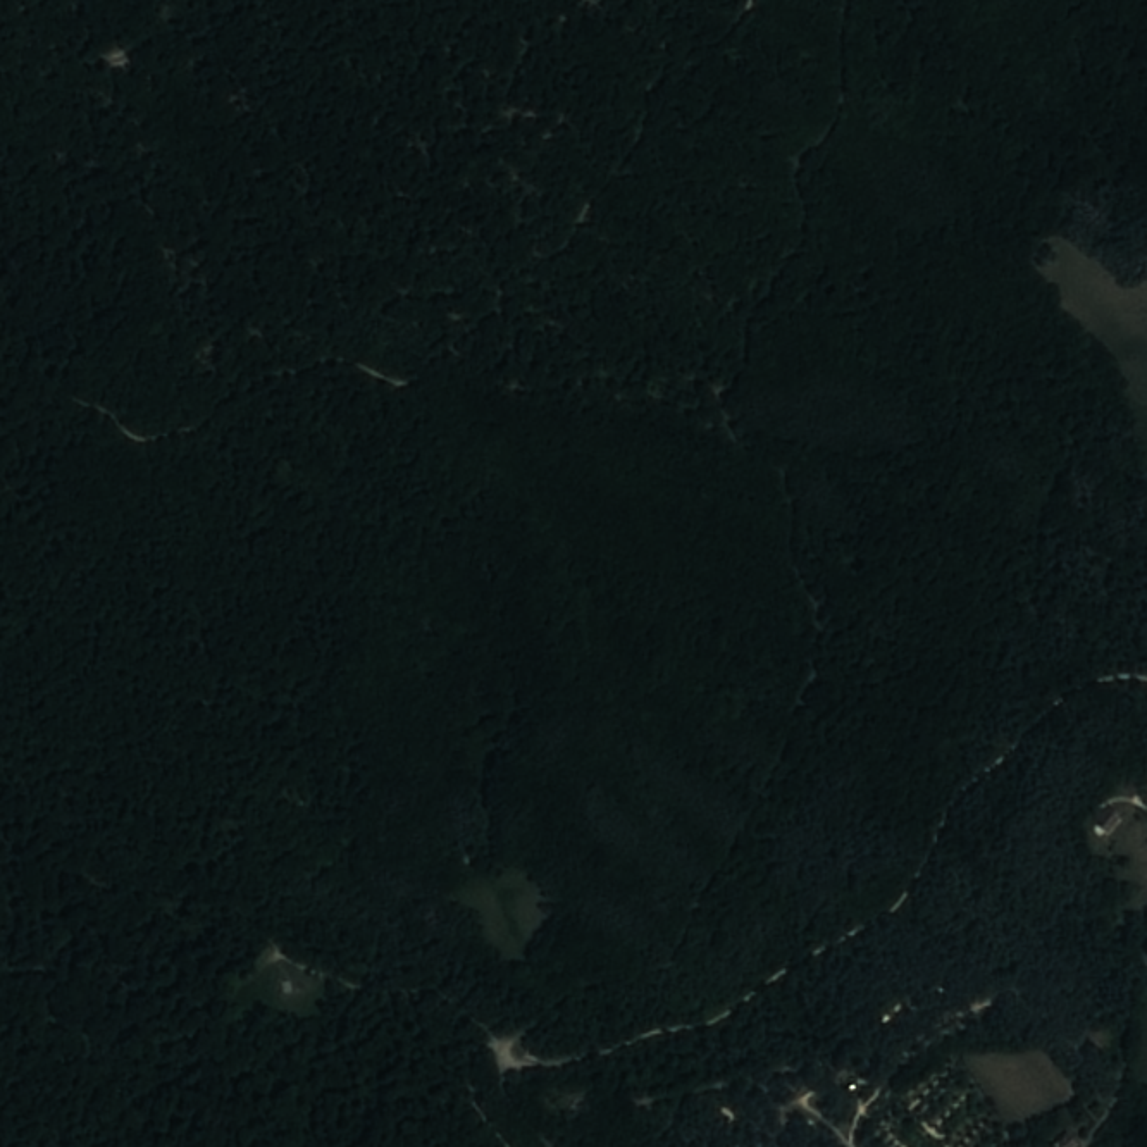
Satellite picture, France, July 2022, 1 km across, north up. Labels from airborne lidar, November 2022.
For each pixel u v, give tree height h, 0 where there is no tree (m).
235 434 20
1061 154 23
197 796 19
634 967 20
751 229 16
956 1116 11
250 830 18
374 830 16
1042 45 13
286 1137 21
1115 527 18
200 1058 23
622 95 17
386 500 17
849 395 12
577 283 17
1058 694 7
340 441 14
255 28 21
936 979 26
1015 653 24
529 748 17
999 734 18
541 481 9
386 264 18
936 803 19
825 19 14
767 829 20
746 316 18
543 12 17
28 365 20
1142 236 26
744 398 15
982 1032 22
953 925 19
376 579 15
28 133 21
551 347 21
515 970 22
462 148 20
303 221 20
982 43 16
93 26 20
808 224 14
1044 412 21
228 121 18
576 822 15
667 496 18
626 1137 16
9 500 12
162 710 16
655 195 16
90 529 13
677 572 12
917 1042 20
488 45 21
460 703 25
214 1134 27
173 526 13
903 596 23
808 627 12
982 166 20
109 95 8
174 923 25
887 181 11
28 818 25
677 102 22
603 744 14
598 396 24
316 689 14
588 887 14
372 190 23
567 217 15
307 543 21
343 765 21
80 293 13
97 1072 23
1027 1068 0
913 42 22
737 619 18
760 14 13
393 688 15
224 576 18
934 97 17
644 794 17
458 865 22
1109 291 0
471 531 22
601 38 16
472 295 19
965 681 21
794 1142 23
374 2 20
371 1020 27
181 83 19
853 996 26
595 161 15
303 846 14
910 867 18
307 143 23
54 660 20
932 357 20
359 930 19
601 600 16
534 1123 17
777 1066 11
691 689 16
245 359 20
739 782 19
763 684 18
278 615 19
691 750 18
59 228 24
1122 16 25
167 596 17
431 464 13
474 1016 18
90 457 17
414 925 24
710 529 14
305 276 18
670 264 17
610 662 12
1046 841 19
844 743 17
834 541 19
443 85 21
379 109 20
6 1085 24
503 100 17
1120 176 14
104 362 16
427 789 20
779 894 15
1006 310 8
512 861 13
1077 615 19
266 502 19
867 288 17
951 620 24
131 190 15
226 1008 24
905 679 20
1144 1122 13
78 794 20
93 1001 28
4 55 17
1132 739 15
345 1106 21
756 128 19
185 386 17
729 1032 19
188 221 18
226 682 21
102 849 22
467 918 12
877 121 12
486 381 21
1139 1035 18
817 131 10
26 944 22
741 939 17
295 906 12
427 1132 19
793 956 14
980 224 18
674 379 21
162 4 6
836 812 26
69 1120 22
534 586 21
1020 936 17
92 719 17
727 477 11
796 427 14
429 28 19
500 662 26
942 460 20
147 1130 16
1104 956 29
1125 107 20
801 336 21
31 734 20
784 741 13
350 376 13
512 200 20
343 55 17
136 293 14
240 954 25
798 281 19
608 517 11
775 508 14
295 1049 20
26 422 20
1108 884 19
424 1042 24
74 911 28
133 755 19
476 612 27
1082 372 12
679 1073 9
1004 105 17
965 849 18
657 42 18
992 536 22
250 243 20
